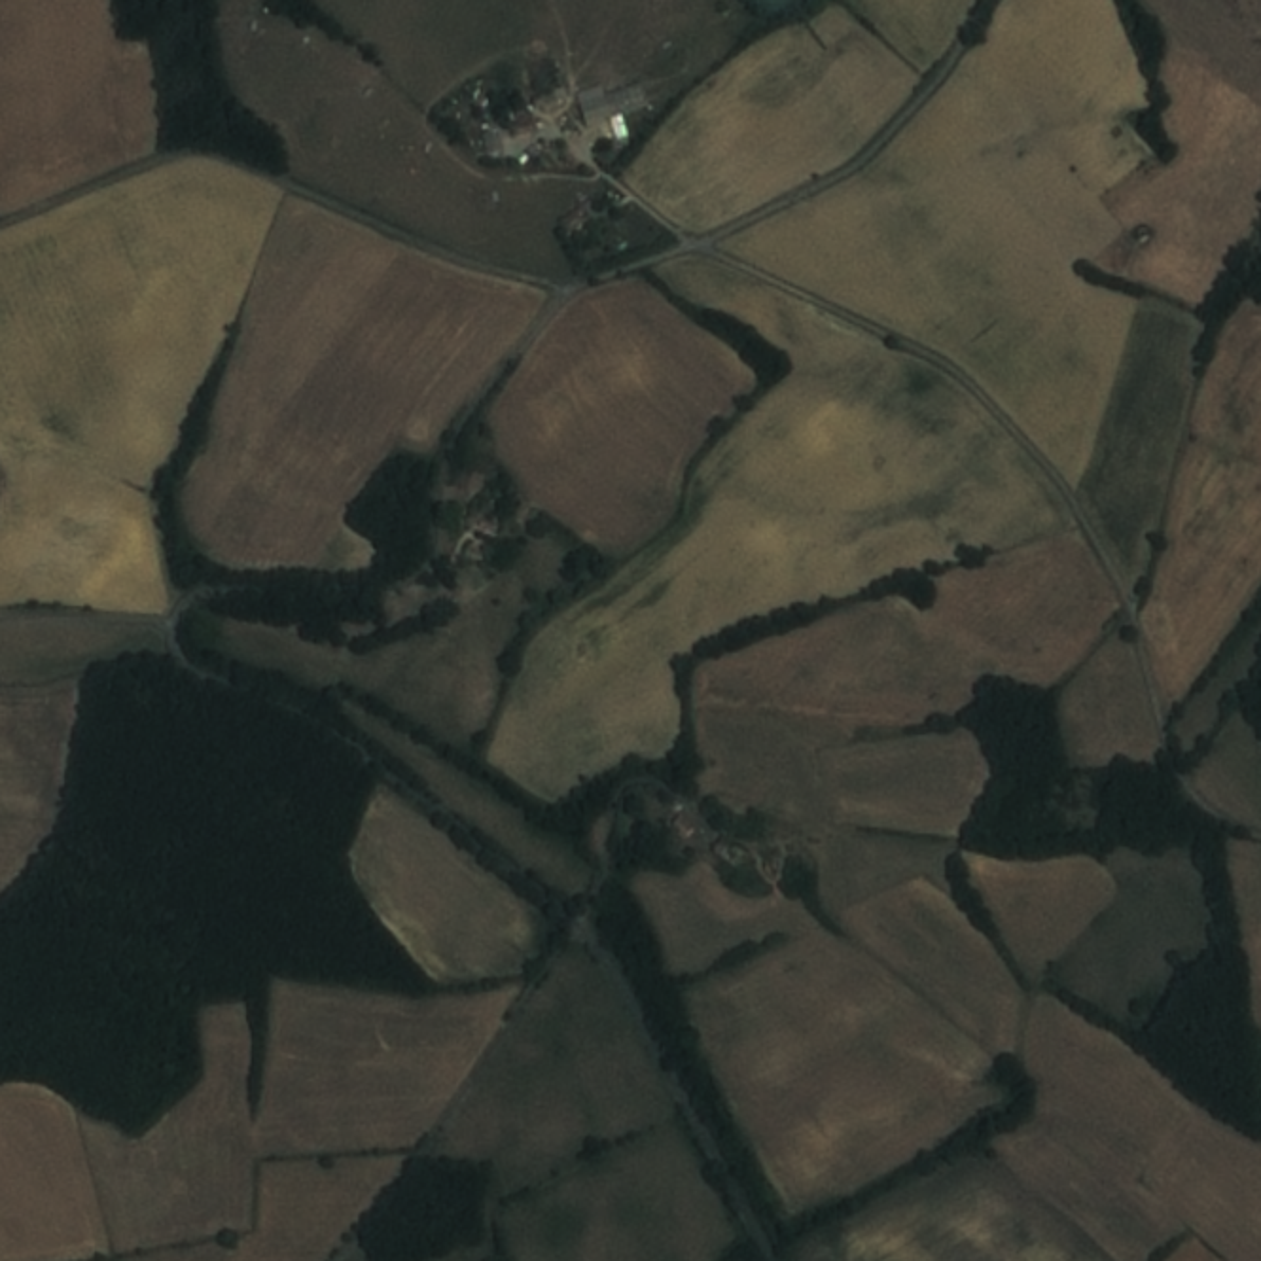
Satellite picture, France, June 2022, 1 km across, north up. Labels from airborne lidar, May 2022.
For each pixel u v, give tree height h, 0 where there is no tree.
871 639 0
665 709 0
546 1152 0
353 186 0
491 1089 0
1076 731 0
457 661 0
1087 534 0
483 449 0
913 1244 0
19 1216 0
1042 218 0
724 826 11
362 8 0
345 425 0
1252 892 0
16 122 0
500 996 0
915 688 0
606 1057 0
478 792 0
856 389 0
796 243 0
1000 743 17
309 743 17
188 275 0
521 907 0
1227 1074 20
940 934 0
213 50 11
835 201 0
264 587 16
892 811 0
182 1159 0
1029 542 0
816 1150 0
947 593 0
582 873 0
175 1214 0
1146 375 0
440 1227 20
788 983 0
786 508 0
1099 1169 0
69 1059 13
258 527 0
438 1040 0
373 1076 0
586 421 0
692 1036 16
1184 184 0
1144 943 0
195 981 15
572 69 0
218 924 14
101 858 18
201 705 17
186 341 0
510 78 0
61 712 0
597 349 0
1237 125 0
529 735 0
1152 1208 0
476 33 0
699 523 0
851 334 0
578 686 0
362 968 11
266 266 0
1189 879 0
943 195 0
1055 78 0
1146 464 0
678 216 0
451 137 13
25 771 0
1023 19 0
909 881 0
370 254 0
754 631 17
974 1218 0
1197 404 0
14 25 0
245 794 19
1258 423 0
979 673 0
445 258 0
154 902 15
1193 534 0
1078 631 0
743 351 11
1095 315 0
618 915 8
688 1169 0
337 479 0
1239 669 0
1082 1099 0
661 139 0
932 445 0
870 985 0
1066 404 0
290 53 0
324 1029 0
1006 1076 18
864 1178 0
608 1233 0
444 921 0
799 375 0
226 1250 9
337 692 16
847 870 0
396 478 14
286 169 9
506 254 0
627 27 0
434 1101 0
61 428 0
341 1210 0
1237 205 0
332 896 15
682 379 0
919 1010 0
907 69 0
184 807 16
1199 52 0
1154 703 0
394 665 0
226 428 0
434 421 0
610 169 9
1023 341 0
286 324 0
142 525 0
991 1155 8
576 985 0
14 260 0
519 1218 0
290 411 0
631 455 0
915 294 0
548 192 0
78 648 0
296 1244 0
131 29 12
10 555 0
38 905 18
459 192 0
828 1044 0
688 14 0
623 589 0
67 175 0
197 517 0
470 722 0
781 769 0
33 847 0
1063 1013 0
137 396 0
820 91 0
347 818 14
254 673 13
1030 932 0
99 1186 0
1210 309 16
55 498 0
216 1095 0
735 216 0
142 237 0
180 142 14
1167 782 11
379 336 0
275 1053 0
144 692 16
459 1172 18
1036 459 0
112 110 0
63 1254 0
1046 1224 0
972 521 0
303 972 13
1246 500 0
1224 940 18
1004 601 0
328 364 0
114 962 20
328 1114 0
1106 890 0
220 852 17
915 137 0
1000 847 16
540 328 0
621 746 0
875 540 0
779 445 0
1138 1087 0
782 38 0
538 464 0
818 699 0
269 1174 0
